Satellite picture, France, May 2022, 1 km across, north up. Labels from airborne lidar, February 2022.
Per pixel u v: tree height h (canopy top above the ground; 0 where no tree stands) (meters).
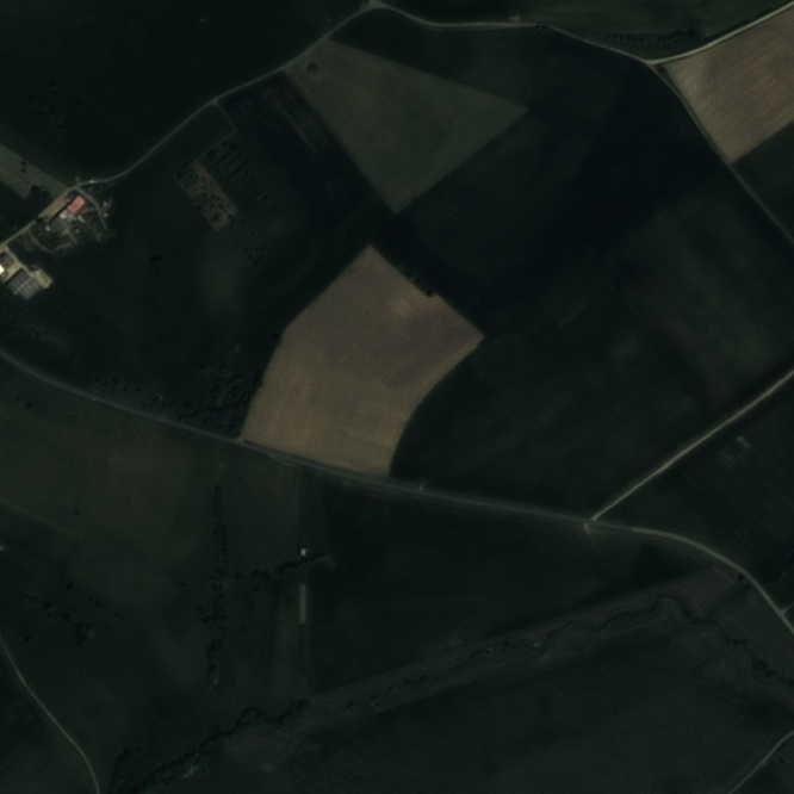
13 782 0
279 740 0
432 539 0
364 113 0
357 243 0
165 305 0
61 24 0
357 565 0
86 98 0
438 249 0
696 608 0
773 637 0
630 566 0
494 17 0
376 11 0
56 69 0
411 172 0
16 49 0
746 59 0
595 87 0
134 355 0
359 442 0
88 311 0
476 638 0
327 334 0
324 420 0
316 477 0
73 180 0
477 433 0
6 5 0
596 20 0
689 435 0
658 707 0
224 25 0
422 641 0
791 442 0
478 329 0
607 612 0
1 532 0
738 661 0
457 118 0
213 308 0
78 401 0
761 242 0
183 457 0
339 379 0
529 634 0
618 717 0
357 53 0
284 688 0
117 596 0
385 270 0
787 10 0
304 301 0
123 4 0
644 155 0
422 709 0
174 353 0
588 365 0
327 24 0
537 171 0
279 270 0
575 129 0
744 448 0
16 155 0
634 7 0
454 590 0
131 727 0
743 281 0
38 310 0
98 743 0
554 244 0
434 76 0
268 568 0
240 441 0
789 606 0
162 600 0
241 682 0
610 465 0
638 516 0
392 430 0
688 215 0
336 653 0
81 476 0
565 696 0
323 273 0
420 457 0
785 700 0
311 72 0
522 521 0
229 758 0
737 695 0
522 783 0
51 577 0
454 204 0
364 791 0
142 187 0
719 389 0
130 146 0
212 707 0
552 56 0
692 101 0
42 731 0
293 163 0
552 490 0
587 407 0
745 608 0
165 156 0
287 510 0
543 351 0
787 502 0
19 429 0
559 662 0
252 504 0
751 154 0
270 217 0
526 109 0
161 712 0
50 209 0
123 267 0
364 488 0
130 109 0
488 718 0
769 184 0
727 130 0
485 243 0
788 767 0
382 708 0
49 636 0
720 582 0
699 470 0
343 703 0
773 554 0
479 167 0
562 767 0
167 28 0
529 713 0
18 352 0
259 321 0
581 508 0
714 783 0
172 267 0
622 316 0
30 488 0
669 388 0
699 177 0
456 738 0
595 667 0
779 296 0
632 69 0
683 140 0
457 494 0
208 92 0
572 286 0
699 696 0
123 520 0
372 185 0
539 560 0
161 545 0
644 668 0
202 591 0
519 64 0
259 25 0
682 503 0
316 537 0
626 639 0
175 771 12
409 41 0
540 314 0
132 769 0
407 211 0
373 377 0
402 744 0
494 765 0
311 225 0
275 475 0
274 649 0
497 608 0
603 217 0
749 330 0
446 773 0
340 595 0
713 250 0
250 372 0
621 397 0
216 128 0
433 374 0
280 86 0
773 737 0
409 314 0
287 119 0
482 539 0
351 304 0
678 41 9
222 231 0
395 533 0
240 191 0
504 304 0
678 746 0
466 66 0
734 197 0
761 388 0
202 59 0
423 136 0
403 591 0
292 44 0
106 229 0
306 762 0
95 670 0
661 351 0
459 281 0
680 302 0
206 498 0
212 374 0
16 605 0
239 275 0
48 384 0
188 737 0
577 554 0
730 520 0
